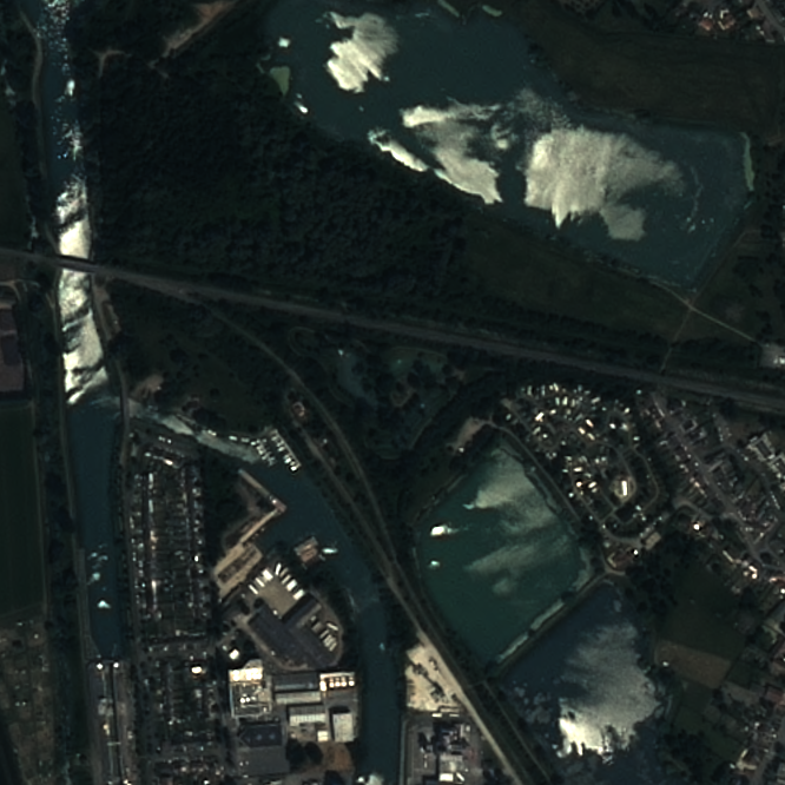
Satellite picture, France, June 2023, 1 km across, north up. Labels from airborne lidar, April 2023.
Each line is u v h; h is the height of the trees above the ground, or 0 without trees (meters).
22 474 0
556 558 0
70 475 0
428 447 9
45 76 0
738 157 0
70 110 0
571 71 0
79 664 0
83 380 0
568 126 0
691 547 10
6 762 0
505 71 0
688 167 0
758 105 0
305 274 18
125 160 17
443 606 0
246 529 0
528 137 0
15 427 0
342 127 0
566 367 7
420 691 0
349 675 0
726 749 0
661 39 0
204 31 0
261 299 0
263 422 0
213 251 18
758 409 0
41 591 0
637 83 0
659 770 0
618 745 0
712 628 0
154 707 0
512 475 0
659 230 0
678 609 0
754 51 0
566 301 0
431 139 0
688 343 9
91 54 0
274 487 0
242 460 0
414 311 9
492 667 11
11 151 0
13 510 0
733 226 0
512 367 9
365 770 0
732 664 0
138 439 14
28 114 27
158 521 0
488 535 0
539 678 0
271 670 0
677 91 0
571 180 0
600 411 12
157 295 6
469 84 0
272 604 0
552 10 0
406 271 17
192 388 0
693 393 7
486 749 0
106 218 15
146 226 14
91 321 0
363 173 17
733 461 11
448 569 0
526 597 0
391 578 0
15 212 0
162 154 7
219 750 0
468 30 0
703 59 0
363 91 0
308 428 7
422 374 14
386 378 16
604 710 0
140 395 0
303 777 0
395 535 9
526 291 0
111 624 0
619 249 0
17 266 0
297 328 0
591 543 6
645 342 7
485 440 9
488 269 0
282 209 20
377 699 0
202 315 22
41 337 5
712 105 0
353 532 7
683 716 0
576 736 0
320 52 0
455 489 0
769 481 0
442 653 0
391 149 0
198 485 7
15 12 16
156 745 0
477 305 6
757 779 0
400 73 0
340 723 0
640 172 0
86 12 13
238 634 12
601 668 0
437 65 0
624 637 0
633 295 0
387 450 0
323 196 24
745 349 6
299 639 0
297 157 22
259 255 19
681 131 0
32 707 0
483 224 0
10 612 0
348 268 14
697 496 0
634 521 0
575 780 0
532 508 0
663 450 0
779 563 0
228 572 0
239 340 7
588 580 0
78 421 0
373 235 21
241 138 13
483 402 16
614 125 0
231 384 0
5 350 0
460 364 17
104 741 0
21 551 0
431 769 0
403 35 0
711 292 0
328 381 7
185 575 0
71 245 0
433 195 6
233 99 11
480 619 0
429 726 0
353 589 0
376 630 0
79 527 0
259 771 0
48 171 0
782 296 10
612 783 0
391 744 0
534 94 0
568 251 0
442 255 17
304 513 0
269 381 9
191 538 0
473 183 0
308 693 0
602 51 0
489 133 0
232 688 0
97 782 0
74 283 0
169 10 6
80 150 0
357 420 13
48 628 11
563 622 0
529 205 0
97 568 0
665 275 0
